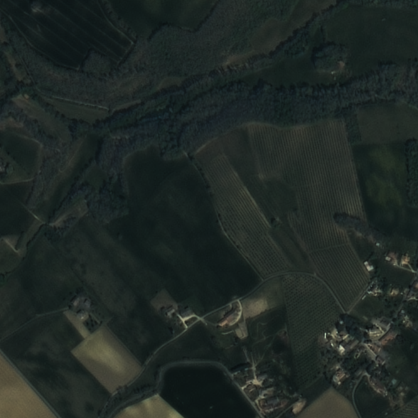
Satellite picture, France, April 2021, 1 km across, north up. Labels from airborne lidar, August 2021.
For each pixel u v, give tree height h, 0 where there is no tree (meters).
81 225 0
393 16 0
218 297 0
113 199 20
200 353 0
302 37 22
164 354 0
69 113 0
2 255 0
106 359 0
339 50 21
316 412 0
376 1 25
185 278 0
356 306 0
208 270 0
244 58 0
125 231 0
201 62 22
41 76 12
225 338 0
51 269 0
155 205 0
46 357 0
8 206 0
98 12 0
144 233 0
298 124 18
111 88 10
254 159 0
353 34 0
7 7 0
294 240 0
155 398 0
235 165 0
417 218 0
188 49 16
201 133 14
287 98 26
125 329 0
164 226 0
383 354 0
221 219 9
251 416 0
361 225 19
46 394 0
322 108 20
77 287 0
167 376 0
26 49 17
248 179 0
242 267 0
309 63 0
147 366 8
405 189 0
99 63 21
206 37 17
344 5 14
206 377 0
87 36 0
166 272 0
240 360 0
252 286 0
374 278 6
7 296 0
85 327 0
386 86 19
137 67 16
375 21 0
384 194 0
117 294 0
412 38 0
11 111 11
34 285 0
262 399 7
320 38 0
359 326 12
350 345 0
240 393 0
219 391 0
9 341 0
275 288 0
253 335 0
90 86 19
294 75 0
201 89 30
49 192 0
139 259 0
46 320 0
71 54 0
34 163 0
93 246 0
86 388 0
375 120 0
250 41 16
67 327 0
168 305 0
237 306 0
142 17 0
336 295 0
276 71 0
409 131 0
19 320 0
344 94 17
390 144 0
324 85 0
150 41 16
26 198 0
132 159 0
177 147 18
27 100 0
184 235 0
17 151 0
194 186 0
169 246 0
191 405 0
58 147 18
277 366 0
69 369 0
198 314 0
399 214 0
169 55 20
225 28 17
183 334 0
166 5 0
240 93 14
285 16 22
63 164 20
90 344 0
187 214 0
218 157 0
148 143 17
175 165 0
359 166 0
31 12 0
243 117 22
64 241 0
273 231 0
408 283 0
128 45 0
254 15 15
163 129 29
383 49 0
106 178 0
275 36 0
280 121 19
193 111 20
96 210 17
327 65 24
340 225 16
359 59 0
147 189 0
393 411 0
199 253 0
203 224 0
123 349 0
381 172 0
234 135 0
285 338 0
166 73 15
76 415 0
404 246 0
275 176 0
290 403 0
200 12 0
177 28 19
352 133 7
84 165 0
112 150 18
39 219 0
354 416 0
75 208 0
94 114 0
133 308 0
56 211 9
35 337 0
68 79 7
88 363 0
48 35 0
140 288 0
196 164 8
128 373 0
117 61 0
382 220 0
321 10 0
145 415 0
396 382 0
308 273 0
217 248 0
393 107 0
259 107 19
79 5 0
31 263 0
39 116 0
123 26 14
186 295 0
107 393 0
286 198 0
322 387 0
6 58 18
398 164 0
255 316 0
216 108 13
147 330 0
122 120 26
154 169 0
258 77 0
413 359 0
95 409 0
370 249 0
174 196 0
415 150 12
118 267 0
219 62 18
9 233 0
